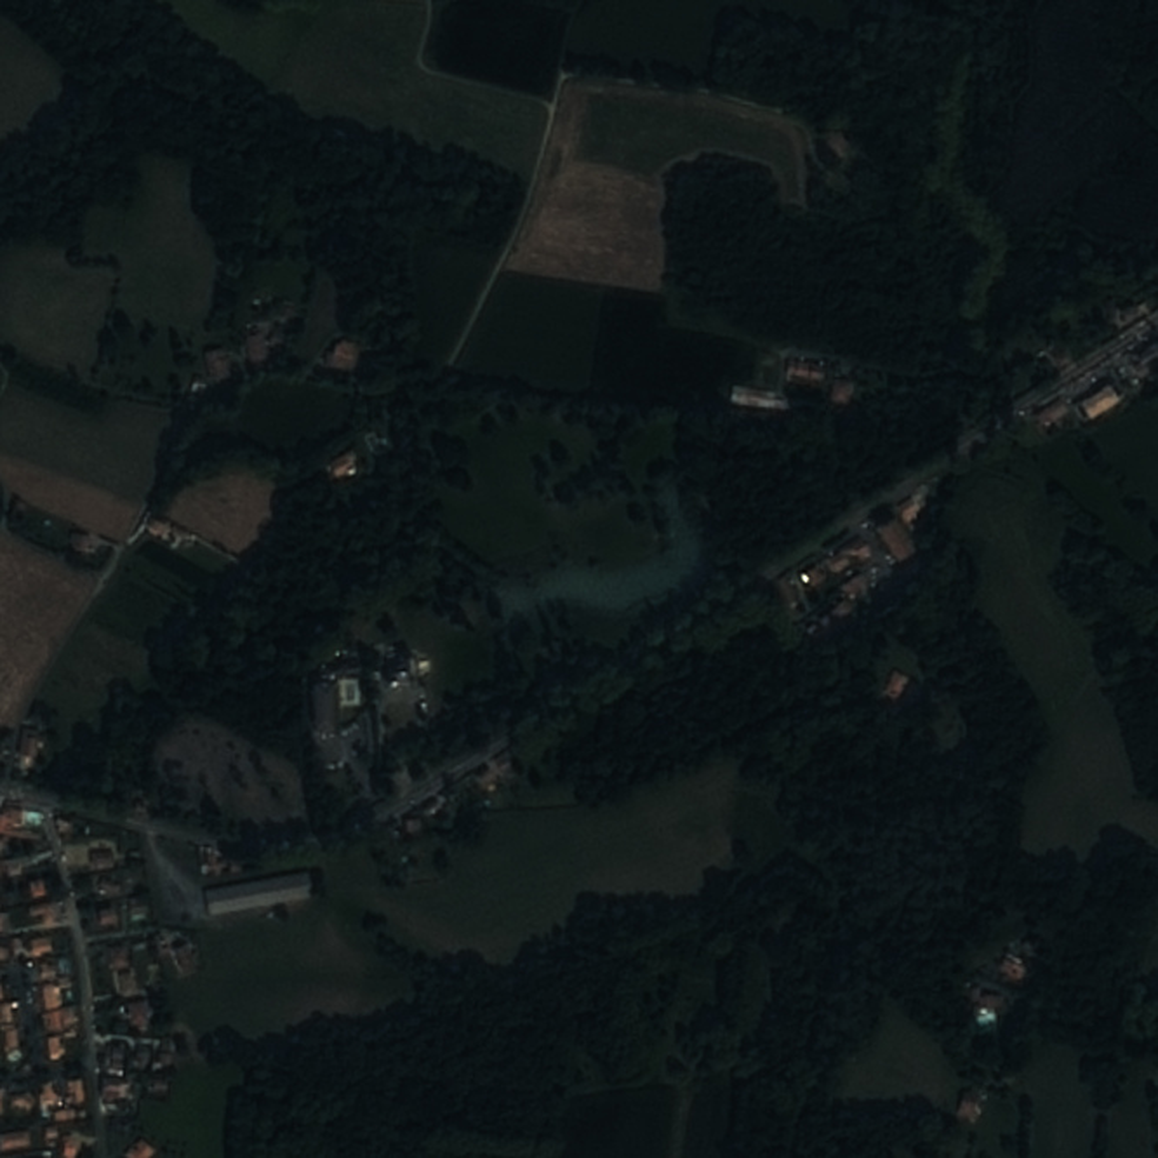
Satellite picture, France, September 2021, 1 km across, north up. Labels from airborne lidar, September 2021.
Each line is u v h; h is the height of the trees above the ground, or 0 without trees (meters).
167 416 0
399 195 32
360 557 26
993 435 32
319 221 16
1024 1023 18
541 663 0
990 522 0
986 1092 8
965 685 23
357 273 35
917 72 26
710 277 15
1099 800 0
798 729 30
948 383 15
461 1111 21
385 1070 26
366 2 0
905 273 13
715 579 29
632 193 0
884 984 16
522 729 34
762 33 18
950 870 33
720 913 18
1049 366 8
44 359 0
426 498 16
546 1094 21
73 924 0
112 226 0
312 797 9
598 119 0
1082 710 0
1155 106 8
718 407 17
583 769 13
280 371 21
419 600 19
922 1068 0
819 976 17
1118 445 0
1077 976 22
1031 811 0
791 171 0
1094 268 31
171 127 32
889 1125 23
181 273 0
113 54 24
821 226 10
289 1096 30
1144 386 11
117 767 6
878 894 33
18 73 0
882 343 11
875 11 17
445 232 9
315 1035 19
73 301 0
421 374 15
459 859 0
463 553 12
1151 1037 21
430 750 18
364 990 0
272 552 18
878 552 0
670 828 0
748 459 23
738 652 24
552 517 0
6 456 0
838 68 26
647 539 0
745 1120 19
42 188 28
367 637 0
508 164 0
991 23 19
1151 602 23
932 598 26
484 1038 22
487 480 0
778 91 22
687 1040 8
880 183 13
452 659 0
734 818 0
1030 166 7
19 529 5
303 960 0
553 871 0
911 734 17
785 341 10
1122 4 24
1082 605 23
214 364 0
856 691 24
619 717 32
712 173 13
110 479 0
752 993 0
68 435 0
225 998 0
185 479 13
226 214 28
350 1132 25
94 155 27
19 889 8
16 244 18
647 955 26
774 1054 18
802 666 24
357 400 12
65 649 0
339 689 0
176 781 16
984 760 24
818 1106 19
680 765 15
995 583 0
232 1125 15
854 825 34
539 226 0
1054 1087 0
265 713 19
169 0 0
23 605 0
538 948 16
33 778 8
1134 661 23
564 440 0
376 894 0
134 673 0
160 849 0
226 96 31
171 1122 0
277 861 28
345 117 0
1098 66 10
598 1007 16
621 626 0
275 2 27
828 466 16
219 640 30
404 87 0
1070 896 28
